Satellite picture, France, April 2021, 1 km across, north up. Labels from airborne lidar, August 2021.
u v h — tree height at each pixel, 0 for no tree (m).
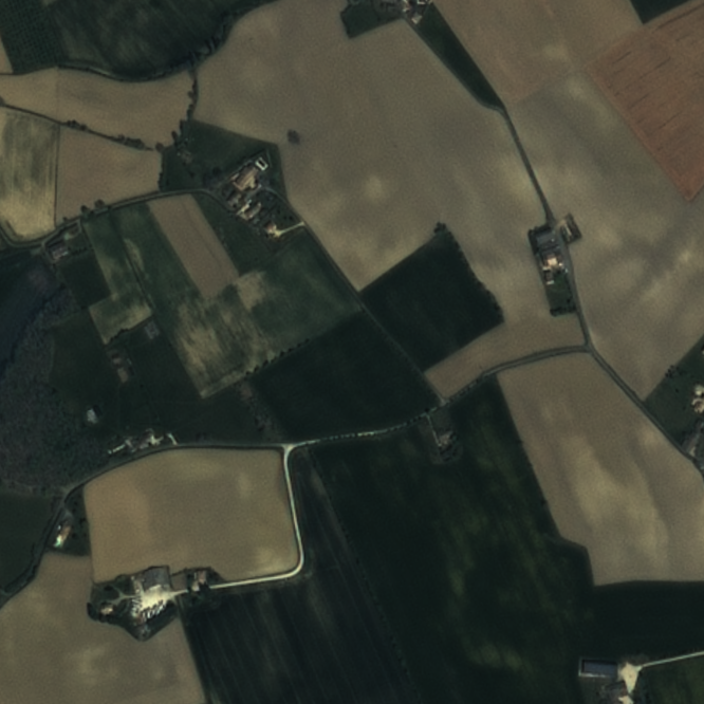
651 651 0
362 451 0
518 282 0
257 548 0
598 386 0
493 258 0
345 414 0
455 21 0
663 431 0
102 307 0
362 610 0
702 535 0
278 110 0
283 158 0
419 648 0
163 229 0
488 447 0
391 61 0
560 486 0
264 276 0
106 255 0
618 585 0
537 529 0
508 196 0
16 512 0
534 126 0
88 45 0
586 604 0
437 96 0
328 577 0
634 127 0
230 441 0
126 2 0
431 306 0
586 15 0
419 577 0
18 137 0
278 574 0
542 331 0
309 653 0
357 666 0
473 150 0
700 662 0
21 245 0
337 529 0
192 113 6
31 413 22
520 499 0
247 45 0
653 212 0
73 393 0
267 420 8
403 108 0
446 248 0
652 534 0
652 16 0
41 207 0
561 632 0
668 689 0
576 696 0
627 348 0
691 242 0
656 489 0
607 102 0
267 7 0
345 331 0
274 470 0
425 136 0
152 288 0
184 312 0
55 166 0
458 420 0
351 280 0
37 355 14
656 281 0
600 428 0
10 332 0
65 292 14
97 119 0
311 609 0
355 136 0
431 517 0
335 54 0
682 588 0
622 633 0
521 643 0
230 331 0
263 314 0
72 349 0
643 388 0
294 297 0
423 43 0
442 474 0
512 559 0
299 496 0
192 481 0
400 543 0
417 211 0
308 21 0
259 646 0
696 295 0
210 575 10
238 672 0
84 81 0
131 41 0
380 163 0
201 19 0
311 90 0
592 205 0
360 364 0
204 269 0
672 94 0
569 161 0
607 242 0
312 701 0
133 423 0
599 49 0
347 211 0
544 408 0
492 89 0
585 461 0
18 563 0
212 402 0
